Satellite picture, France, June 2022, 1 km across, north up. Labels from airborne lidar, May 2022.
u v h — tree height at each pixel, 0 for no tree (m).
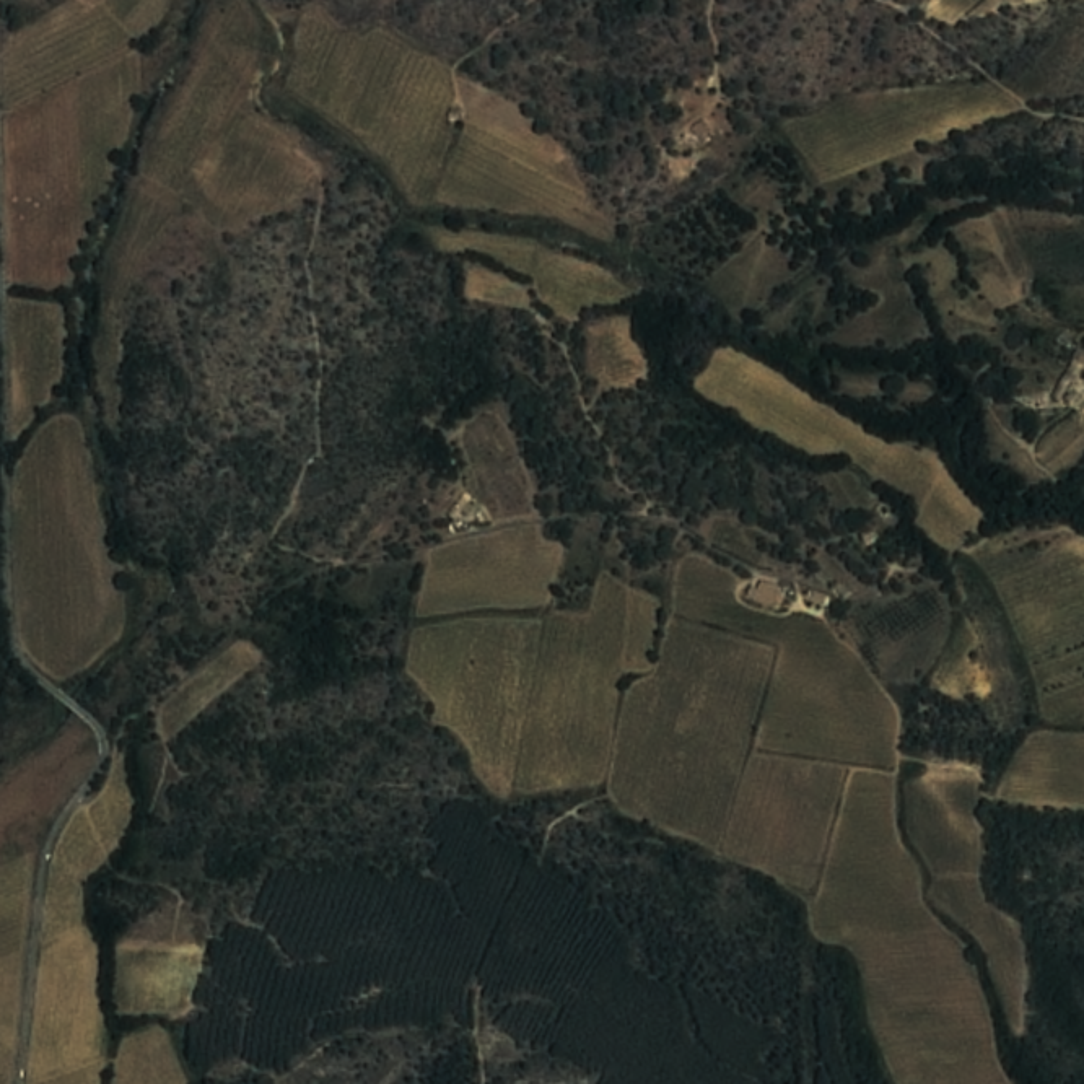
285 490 6
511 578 0
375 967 9
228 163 0
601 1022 11
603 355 0
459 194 0
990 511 14
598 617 0
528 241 0
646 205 8
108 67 0
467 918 13
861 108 0
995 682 0
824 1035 12
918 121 0
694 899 7
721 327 15
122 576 11
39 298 11
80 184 0
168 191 0
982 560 0
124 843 7
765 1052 11
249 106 0
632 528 8
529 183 0
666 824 0
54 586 0
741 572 9
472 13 0
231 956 12
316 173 0
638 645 0
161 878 0
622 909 15
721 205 9
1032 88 0
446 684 0
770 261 0
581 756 0
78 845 0
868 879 0
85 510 0
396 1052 0
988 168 11
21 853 0
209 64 0
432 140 0
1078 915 8
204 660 6
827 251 12
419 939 6
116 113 0
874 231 17
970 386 9
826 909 0
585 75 12
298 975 10
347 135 0
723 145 0
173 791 9
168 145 0
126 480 7
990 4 0
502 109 0
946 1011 0
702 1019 12
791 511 9
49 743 0
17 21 11
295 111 0
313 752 10
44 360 0
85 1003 0
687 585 0
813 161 0
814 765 0
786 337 6
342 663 12
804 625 0
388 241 9
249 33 0
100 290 6
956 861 0
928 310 11
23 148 0
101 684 9
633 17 7
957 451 15
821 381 16
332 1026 11
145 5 0
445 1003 10
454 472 8
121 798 0
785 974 14
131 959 0
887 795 0
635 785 0
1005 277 0
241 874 8
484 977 10
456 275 9
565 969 8
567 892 13
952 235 10
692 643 0
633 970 13
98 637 0
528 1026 8
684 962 14
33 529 0
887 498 12
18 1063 0
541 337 10
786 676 0
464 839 14
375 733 10
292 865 6
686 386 13
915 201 16
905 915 0
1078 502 13
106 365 0
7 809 0
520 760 0
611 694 0
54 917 0
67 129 0
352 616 16
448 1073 14
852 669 0
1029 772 0
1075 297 0
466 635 0
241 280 0
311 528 7
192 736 8
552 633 0
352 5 0
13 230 0
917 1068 0
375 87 0
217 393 0
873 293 9
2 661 11
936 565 12
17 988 0
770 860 0
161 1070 0
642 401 7
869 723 0
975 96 0
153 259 0
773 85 0
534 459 8
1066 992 7
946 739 9
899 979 0
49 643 0
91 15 0
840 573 0
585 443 11
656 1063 8
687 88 11
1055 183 15
